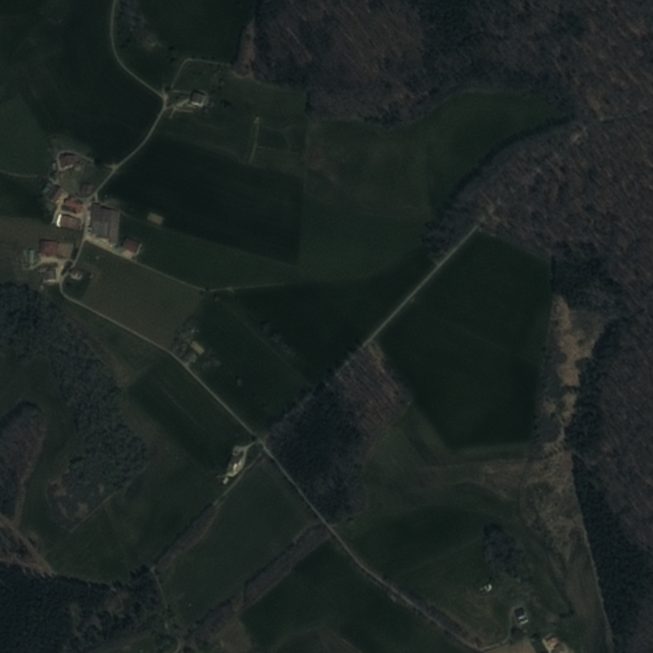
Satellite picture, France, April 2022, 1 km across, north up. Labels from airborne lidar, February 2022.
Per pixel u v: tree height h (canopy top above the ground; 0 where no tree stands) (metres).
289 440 20
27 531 0
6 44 0
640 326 24
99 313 0
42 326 22
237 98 0
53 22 0
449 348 0
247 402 0
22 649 20
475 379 0
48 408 0
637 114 28
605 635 0
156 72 0
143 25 28
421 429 0
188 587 0
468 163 0
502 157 20
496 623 0
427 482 0
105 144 0
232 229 0
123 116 0
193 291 0
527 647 0
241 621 0
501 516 0
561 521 0
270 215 0
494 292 0
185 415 0
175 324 0
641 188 23
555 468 0
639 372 27
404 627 0
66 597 20
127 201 0
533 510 0
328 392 22
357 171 0
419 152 0
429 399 0
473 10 30
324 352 0
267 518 0
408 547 0
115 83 0
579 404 8
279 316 0
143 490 0
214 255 0
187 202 0
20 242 0
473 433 0
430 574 0
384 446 0
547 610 0
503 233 19
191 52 0
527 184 27
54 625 20
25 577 24
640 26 28
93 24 0
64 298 0
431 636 0
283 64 22
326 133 0
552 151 27
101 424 20
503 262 0
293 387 0
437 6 23
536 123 0
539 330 0
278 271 0
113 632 19
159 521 0
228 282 0
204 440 0
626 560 26
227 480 0
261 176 0
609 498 27
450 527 0
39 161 0
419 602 19
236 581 0
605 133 27
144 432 0
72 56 0
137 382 0
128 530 0
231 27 0
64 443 0
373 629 0
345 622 0
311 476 21
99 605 22
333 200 0
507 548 30
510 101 0
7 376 0
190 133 0
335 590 0
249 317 0
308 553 15
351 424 22
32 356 23
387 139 0
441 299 0
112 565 0
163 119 0
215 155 0
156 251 0
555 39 27
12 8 0
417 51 20
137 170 0
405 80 26
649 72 30
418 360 0
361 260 0
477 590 0
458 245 26
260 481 0
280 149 0
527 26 26
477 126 0
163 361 0
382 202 0
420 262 0
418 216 0
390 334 0
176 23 0
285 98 0
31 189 0
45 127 0
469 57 21
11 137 0
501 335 0
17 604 24
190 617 0
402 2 22
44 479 0
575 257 36
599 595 0
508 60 23
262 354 0
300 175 0
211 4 0
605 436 20
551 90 26
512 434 0
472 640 21
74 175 0
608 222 26
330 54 19
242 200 0
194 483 0
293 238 0
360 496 21
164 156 0
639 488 25
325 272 0
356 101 26
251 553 0
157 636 14
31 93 0
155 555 0
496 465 0
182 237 0
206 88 0
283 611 0
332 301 0
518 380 0
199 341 0
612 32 29
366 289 0
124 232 0
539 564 0
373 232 0
